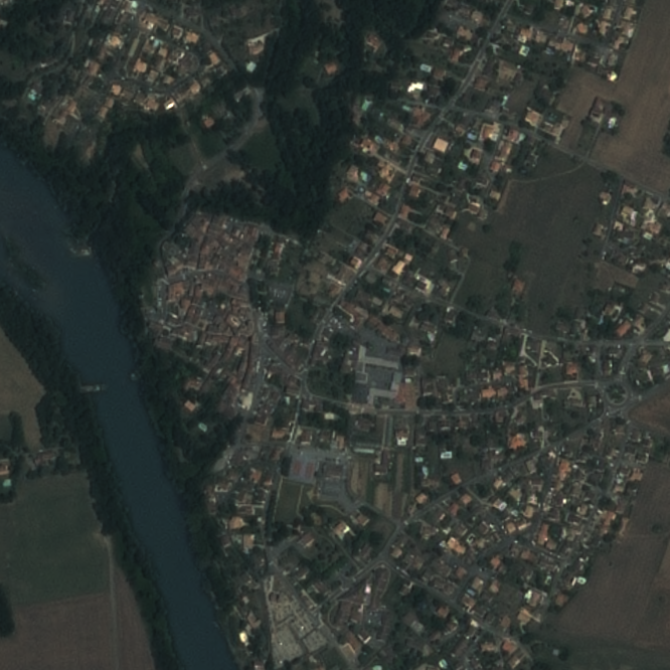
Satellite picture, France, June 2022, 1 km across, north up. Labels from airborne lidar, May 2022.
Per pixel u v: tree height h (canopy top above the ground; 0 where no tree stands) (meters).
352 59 23
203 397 11
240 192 9
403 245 9
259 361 0
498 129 0
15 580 0
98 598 0
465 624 14
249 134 0
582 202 0
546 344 0
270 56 6
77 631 0
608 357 9
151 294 0
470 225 0
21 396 0
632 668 0
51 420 13
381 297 6
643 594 0
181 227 11
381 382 0
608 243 0
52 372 13
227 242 0
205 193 17
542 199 0
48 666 0
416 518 0
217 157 0
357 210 0
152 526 0
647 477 0
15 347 8
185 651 0
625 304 6
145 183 18
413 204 7
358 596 0
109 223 29
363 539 12
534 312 0
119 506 23
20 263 7
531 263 0
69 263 0
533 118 0
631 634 0
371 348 9
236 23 6
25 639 0
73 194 18
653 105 0
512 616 0
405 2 23
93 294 0
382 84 16
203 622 0
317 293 0
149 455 0
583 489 9
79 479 0
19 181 0
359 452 0
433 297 0
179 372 6
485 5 7
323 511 11
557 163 0
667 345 0
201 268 0
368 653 14
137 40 0
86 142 0
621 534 0
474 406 8
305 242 7
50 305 0
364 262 0
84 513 0
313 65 0
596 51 0
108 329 0
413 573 12
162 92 0
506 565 11
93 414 23
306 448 0
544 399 6
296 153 33
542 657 0
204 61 9
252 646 11
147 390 22
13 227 0
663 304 0
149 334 6
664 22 0
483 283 0
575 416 8
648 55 0
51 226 0
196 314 0
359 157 10
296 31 23
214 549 13
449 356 0
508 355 6
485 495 12
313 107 0
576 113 0
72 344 0
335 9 0
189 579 0
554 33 6
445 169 7
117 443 0
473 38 0
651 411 0
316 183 23
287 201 29
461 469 0
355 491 0
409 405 0
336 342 7
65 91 12
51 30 15
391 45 15
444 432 6
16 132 8
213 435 6
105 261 31
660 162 0
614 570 0
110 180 26
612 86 0
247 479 7
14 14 18
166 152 16
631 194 8
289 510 0
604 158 0
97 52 9
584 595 0
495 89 0
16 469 11
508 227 0
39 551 0
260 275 0
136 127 7
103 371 0
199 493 7
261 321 0
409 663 14
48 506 0
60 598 0
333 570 7
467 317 7
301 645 0
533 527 0
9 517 0
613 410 0
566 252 0
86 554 0
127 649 0
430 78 10
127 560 15
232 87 7
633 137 0
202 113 11
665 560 0
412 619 0
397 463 0
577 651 0
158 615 17
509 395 6
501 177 8
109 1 0
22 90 14
